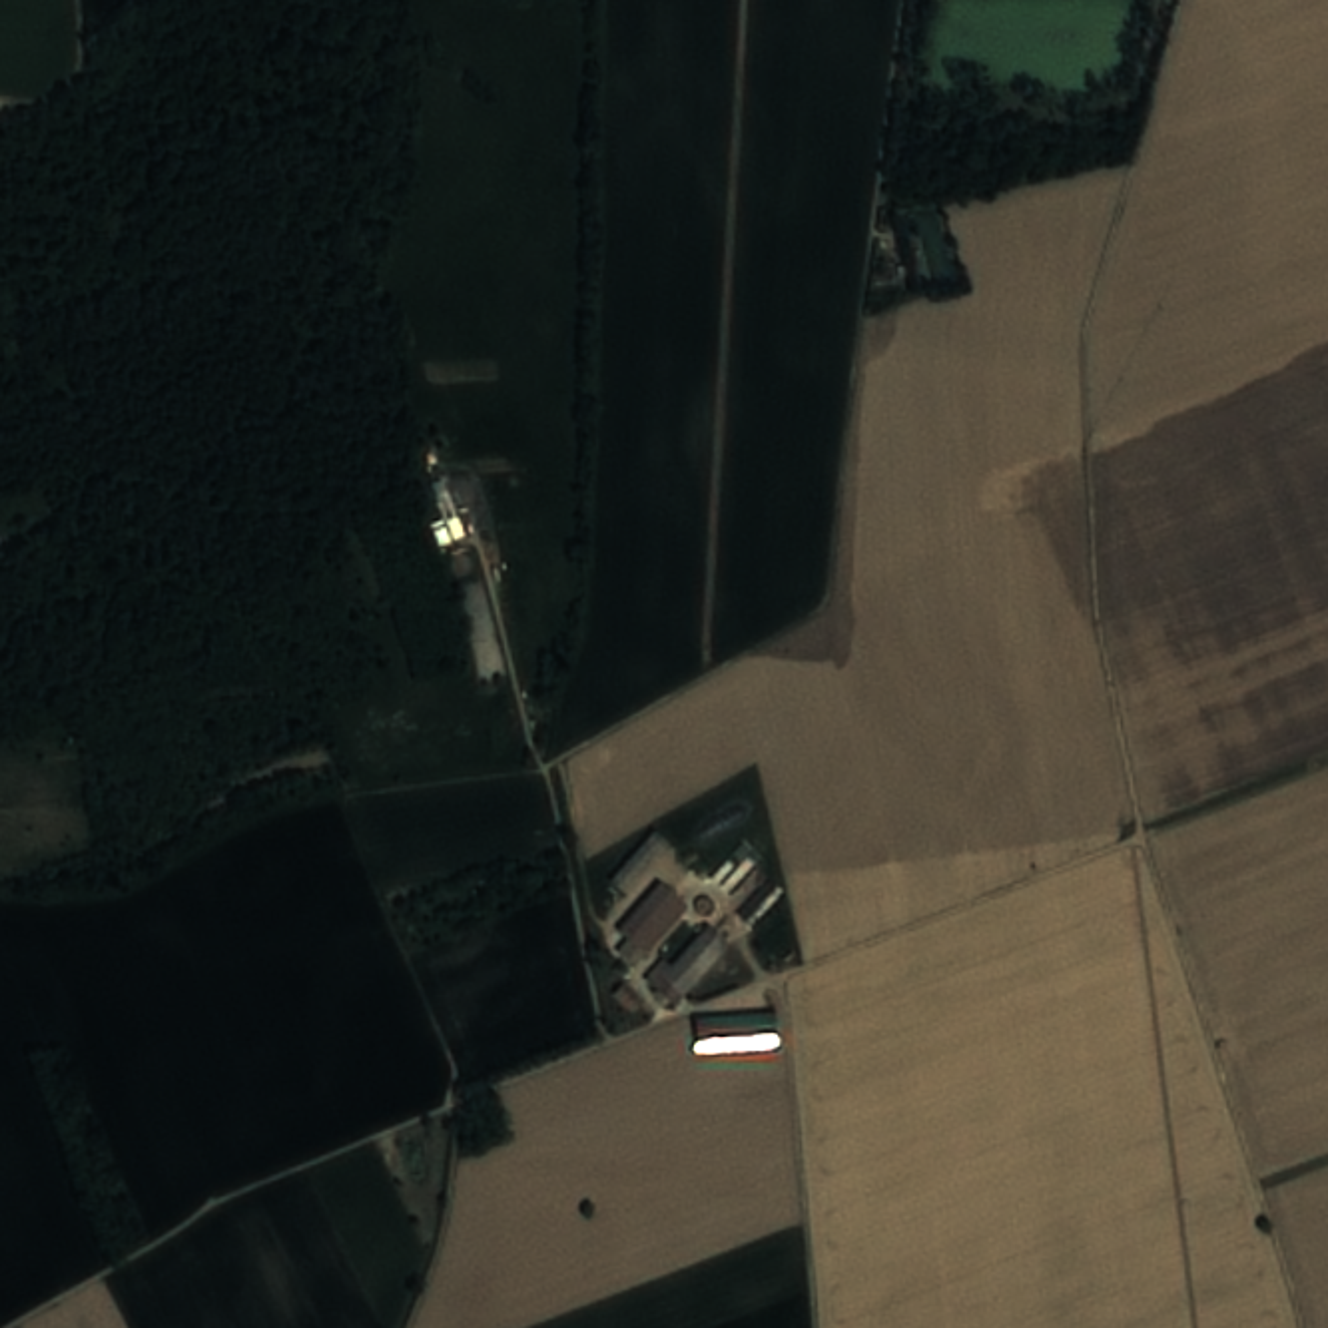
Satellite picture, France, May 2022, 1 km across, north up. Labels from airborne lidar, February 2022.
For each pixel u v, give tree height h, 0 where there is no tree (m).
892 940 0
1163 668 0
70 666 16
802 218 0
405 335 8
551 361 0
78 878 8
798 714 0
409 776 0
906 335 0
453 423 0
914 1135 0
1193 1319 0
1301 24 0
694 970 0
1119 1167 0
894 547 0
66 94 14
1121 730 0
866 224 0
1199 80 0
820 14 0
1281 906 0
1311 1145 0
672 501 0
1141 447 0
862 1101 0
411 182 7
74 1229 0
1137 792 0
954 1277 0
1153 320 0
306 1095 0
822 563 0
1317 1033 0
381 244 16
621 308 0
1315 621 0
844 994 0
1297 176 0
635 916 0
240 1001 0
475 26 0
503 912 8
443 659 15
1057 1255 0
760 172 0
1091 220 0
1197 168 0
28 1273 0
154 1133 0
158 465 7
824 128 0
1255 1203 0
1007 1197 0
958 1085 0
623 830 0
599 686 0
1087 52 0
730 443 0
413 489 15
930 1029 0
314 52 22
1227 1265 0
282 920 0
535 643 0
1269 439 0
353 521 18
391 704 0
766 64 0
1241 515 0
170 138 18
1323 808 0
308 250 17
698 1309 0
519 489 0
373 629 0
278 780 12
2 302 15
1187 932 0
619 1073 0
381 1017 0
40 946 0
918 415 0
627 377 0
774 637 0
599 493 0
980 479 0
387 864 0
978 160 15
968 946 0
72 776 0
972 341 0
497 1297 0
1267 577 0
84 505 12
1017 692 0
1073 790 0
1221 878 0
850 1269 0
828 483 0
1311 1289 0
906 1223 0
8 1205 0
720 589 0
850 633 0
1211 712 0
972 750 0
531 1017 0
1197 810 0
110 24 8
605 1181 0
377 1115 0
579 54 0
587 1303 0
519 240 0
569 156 0
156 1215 0
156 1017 0
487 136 0
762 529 0
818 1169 0
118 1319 0
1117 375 0
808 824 0
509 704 0
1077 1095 0
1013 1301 0
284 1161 0
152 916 0
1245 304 0
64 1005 0
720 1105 0
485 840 0
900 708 0
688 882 0
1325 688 0
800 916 0
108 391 17
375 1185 0
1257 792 0
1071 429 0
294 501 19
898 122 10
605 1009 0
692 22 0
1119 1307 0
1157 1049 0
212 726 10
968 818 0
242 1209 0
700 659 0
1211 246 0
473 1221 0
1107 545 0
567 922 0
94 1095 0
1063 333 0
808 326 0
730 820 0
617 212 0
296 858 0
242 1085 0
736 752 0
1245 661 0
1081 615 0
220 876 0
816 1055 0
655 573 0
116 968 0
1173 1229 0
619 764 0
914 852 0
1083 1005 0
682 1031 0
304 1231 0
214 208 11
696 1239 0
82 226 12
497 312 0
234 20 17
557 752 0
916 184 9
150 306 19
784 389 0
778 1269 0
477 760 0
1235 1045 0
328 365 20
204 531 15
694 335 0
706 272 0
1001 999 0
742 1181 0
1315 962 0
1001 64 0
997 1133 0
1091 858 0
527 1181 0
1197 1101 0
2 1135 0
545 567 0
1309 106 0
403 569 18
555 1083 0
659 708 0
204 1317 0
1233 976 0
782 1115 0
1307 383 0
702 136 0
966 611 0
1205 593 0
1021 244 0
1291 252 0
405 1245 0
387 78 6
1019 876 0
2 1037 0
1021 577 0
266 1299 0
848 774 0
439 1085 0
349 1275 0
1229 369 0
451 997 0
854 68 0
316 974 0
